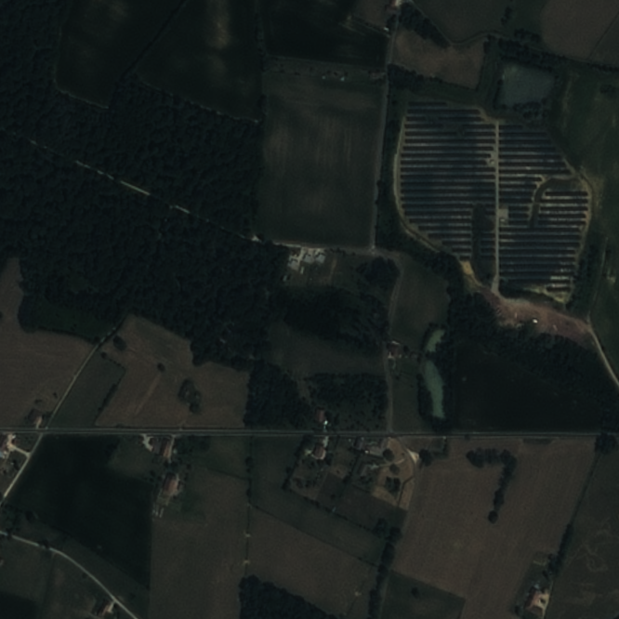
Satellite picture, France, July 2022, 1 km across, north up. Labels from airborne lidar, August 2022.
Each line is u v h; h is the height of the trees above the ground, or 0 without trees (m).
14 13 25
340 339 23
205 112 19
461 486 0
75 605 0
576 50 0
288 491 7
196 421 0
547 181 0
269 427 21
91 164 11
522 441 0
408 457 0
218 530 0
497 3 0
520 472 0
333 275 0
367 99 0
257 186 12
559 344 6
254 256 8
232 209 21
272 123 0
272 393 23
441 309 0
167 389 0
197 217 15
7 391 0
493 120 0
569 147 0
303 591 0
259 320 14
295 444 0
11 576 0
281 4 0
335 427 8
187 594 0
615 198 0
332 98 0
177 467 13
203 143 24
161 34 8
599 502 0
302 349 0
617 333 0
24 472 0
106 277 14
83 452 0
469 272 0
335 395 9
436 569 0
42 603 0
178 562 0
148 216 13
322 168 0
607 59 0
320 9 0
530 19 0
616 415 21
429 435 0
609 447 19
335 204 0
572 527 11
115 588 0
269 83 0
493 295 0
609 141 0
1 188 6
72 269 23
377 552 0
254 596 22
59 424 0
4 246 12
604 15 0
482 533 0
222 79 0
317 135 0
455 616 0
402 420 0
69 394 0
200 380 0
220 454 0
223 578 0
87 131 21
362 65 0
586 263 12
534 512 0
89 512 0
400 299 0
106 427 0
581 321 0
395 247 6
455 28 0
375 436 0
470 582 0
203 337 19
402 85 9
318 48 0
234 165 24
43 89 24
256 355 22
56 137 24
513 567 0
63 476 0
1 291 0
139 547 0
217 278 22
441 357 11
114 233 23
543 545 0
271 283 20
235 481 0
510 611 0
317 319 8
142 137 18
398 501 0
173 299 21
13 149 24
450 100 0
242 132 18
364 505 0
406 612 0
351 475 8
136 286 6
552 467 0
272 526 0
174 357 0
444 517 0
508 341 17
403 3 0
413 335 0
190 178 24
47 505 0
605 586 0
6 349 0
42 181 20
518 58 8
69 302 22
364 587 0
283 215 0
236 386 0
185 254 22
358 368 0
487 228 0
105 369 0
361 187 0
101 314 23
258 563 0
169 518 0
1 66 9
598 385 17
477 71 0
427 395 17
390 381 0
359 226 0
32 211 7
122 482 0
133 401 0
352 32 0
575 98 0
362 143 0
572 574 0
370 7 0
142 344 0
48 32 13
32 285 16
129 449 0
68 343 0
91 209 20
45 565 0
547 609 0
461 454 0
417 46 0
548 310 0
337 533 0
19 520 7
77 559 0
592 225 0
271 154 0
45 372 0
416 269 0
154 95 15
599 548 0
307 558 0
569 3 0
